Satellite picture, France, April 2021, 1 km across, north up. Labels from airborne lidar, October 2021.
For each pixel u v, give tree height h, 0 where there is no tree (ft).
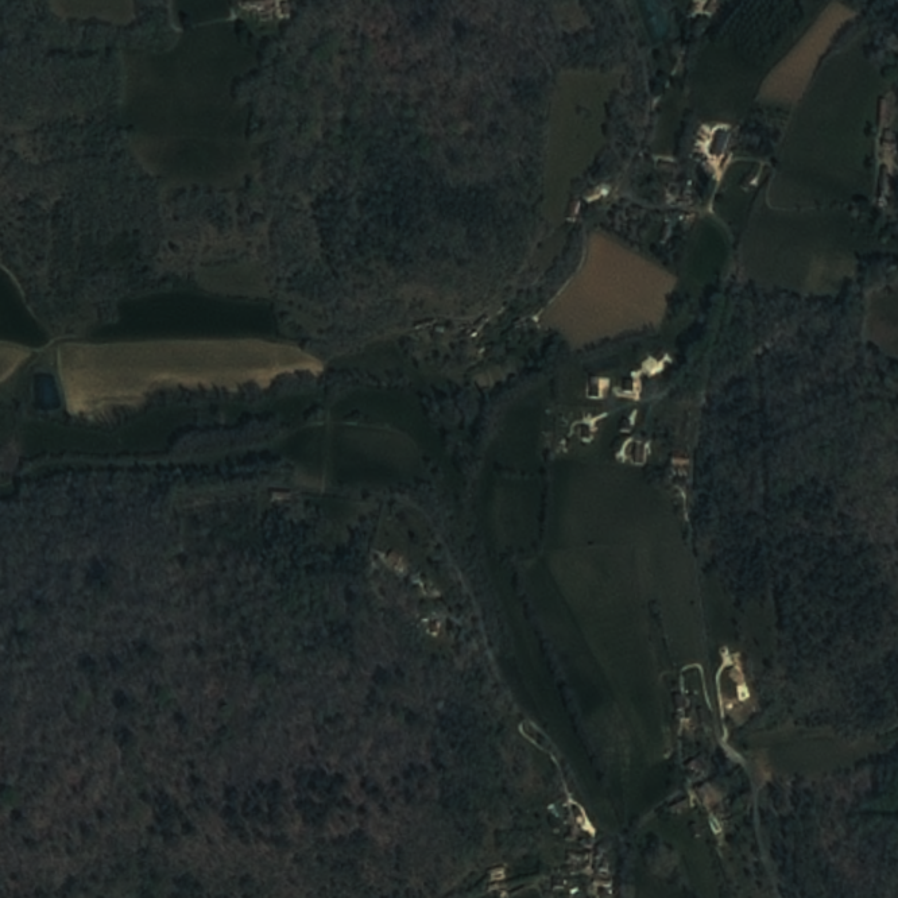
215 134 0
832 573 31
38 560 35
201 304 0
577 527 0
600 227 21
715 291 19
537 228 54
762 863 36
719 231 0
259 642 58
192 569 67
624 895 92
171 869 60
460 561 48
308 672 47
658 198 30
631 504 0
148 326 0
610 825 0
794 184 0
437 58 59
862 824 47
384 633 61
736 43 96
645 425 0
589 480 0
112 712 32
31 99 73
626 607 0
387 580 55
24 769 35
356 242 73
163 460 22
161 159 0
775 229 0
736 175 0
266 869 59
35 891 40
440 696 60
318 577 68
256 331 0
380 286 34
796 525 43
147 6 64
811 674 52
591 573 0
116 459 28
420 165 64
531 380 70
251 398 66
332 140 84
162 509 56
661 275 0
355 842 61
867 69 0
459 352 60
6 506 53
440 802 52
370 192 44
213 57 0
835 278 0
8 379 0
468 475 83
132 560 65
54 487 32
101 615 67
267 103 71
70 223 30
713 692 0
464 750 61
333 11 60
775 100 0
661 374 0
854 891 49
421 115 63
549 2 70
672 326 0
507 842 50
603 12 58
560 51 79
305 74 74
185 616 48
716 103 0
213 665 19
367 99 62
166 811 74
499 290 41
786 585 35
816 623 32
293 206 61
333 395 62
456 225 75
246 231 52
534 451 0
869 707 42
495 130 65
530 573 0
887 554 42
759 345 37
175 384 0
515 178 72
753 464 49
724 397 45
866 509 56
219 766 59
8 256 32
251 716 27
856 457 62
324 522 45
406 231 71
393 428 0
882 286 57
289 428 20
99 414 0
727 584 40
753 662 36
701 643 0
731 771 92
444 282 37
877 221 50
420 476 0
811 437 77
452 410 74
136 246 27
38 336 0
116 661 44
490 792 86
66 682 49
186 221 41
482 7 26
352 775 53
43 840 50
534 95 82
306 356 41
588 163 0
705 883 0
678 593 0
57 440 0
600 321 0
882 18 65
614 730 0
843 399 58
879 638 30
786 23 97
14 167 51
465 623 36
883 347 0
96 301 41
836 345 62
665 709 0
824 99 0
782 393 59
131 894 58
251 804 53
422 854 46
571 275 68
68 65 64
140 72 0
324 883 31
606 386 0
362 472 0
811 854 23
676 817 24
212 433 47
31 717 32
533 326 49
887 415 66
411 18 37
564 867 22
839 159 0
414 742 50
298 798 45
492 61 38
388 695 73
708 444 46
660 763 0
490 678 50
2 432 0
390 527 0
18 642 54
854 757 0
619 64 48
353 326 51
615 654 0
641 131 48
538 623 52
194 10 0
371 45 41
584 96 0
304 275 44
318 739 51
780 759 0
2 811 57
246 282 0
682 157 49
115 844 54
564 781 49
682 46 40
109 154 30
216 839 59
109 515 52
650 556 0
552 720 0
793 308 50
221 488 54
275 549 71
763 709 29
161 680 64
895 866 63
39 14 71
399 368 0
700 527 43
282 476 46
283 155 79
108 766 61
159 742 57
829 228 0
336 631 70
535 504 0
